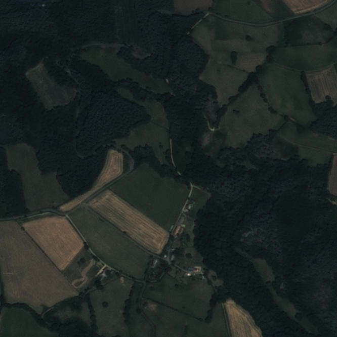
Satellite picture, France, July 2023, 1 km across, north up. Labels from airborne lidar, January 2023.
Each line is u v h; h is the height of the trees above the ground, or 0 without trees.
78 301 15
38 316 15
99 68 14
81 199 0
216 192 10
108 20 13
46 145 21
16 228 0
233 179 17
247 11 0
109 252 0
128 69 0
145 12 34
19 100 17
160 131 0
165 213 0
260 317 22
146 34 32
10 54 22
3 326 0
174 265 6
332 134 18
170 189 0
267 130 0
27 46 22
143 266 0
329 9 0
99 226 0
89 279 0
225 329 0
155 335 0
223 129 0
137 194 0
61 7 20
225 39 0
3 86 18
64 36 15
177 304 0
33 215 0
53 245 0
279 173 22
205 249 25
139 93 22
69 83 18
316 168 7
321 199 12
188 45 23
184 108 20
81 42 21
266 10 0
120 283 0
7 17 12
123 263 0
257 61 0
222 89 0
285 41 7
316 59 0
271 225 8
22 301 0
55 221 0
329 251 17
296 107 0
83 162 16
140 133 0
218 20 0
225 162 18
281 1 0
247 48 0
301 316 22
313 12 0
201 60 21
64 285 0
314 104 13
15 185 20
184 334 0
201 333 0
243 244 14
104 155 18
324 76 0
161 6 25
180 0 0
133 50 16
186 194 0
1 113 15
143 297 0
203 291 0
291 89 0
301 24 0
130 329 0
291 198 6
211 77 0
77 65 9
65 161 23
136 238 0
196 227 12
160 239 0
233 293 17
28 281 0
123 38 0
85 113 11
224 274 19
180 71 16
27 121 23
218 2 0
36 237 0
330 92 0
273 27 0
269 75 0
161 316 0
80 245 0
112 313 0
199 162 20
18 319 0
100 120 26
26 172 0
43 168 17
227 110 14
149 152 26
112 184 0
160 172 15
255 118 0
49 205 0
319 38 0
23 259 0
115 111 28
